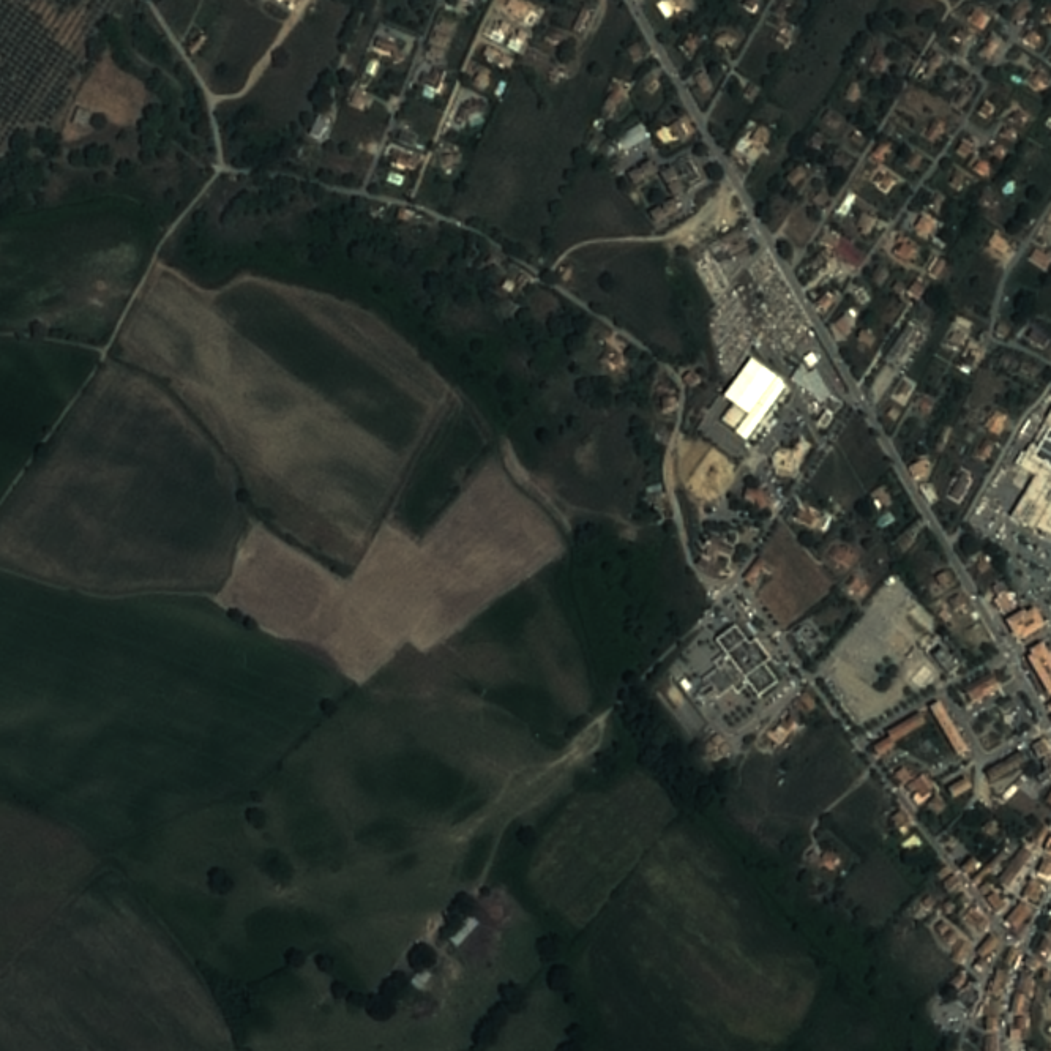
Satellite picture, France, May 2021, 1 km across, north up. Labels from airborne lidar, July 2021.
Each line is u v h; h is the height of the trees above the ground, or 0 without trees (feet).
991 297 0
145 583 0
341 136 0
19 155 38
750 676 0
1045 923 35
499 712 0
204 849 0
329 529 0
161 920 0
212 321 0
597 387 38
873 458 0
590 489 0
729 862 0
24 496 0
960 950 0
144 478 0
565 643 0
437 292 53
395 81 20
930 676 0
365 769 0
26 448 0
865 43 36
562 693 0
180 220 0
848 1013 0
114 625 0
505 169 0
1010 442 0
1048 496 0
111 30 32
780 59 32
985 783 0
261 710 0
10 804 0
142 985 0
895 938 0
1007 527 0
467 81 37
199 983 0
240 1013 58
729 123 30
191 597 0
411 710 0
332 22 0
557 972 55
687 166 0
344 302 0
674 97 36
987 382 0
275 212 34
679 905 0
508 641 0
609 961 0
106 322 0
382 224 31
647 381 28
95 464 0
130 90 0
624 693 40
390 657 0
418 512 0
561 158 0
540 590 0
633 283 0
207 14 0
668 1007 0
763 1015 0
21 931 0
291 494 0
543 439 53
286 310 0
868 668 0
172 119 46
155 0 20
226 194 0
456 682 0
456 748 0
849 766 0
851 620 28
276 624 0
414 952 39
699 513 0
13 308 0
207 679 0
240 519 0
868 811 0
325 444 0
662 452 25
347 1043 0
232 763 0
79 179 0
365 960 0
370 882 0
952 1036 36
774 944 0
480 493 0
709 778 28
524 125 0
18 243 0
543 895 0
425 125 0
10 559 0
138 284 0
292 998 0
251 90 0
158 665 0
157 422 0
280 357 0
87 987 0
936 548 30
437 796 0
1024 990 0
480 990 0
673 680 0
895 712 28
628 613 25
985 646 26
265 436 0
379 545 0
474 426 0
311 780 0
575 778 0
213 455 0
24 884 0
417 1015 0
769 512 19
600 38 0
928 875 43
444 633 0
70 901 0
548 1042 0
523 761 0
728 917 0
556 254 0
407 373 0
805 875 34
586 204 0
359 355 0
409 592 0
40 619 0
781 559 0
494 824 0
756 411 0
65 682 0
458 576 0
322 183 27
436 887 0
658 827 0
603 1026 0
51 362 0
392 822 0
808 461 27
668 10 0
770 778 0
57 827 0
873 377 22
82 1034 0
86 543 0
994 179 21
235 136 26
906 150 47
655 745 45
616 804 0
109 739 0
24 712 0
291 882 0
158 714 0
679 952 0
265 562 0
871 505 31
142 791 0
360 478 0
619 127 38
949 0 0
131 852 0
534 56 0
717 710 0
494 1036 58
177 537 0
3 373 0
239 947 0
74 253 0
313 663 0
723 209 0
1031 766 33
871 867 0
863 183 0
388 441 0
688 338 23
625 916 0
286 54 30
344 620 0
